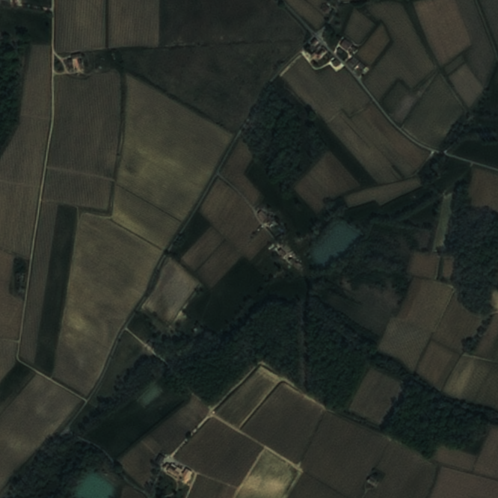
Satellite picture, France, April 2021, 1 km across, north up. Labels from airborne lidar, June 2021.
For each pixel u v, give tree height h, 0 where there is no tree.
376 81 0
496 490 0
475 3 0
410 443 21
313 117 19
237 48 0
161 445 0
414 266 0
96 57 0
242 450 0
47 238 0
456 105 0
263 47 0
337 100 0
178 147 0
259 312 22
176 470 0
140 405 0
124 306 0
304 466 0
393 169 0
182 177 0
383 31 0
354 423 0
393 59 0
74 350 0
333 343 30
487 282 21
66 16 0
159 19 0
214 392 21
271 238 0
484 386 0
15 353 0
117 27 0
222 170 0
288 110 19
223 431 0
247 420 0
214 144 0
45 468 22
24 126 0
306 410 0
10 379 0
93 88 0
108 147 0
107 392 0
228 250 0
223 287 0
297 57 0
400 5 0
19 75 9
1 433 0
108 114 0
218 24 0
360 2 10
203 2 0
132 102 0
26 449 0
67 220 0
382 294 0
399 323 0
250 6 0
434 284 0
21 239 0
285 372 17
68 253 0
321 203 0
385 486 0
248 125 16
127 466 0
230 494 0
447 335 0
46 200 0
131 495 0
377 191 0
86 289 0
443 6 0
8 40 11
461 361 0
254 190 0
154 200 0
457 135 7
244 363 19
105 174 0
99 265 0
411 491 0
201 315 0
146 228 0
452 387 0
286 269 8
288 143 19
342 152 0
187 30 0
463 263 17
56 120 0
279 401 0
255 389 0
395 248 6
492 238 12
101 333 0
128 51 0
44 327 0
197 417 0
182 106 0
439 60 0
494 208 0
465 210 16
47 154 0
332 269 18
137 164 0
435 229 12
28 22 0
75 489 15
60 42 0
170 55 0
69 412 0
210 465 0
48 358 0
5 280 0
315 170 0
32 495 12
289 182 18
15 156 0
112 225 0
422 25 0
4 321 0
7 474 0
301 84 0
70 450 16
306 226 0
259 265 0
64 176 0
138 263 0
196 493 0
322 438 0
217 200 0
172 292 0
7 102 20
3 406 0
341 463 0
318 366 23
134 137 0
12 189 0
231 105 0
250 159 0
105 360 0
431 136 0
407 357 0
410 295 0
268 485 0
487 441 0
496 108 0
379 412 0
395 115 0
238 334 24
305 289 0
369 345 25
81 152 0
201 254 0
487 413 7
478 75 0
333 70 0
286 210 0
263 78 0
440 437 29
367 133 0
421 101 0
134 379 18
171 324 0
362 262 8
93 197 0
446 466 0
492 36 0
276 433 0
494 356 0
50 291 0
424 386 16
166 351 17
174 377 26
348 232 0
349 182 0
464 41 0
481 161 0
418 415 23
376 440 0
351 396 16
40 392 0
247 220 0
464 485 0
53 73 0
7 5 13
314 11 0
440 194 13
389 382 0
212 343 22
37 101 0
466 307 12
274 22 0
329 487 0
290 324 18
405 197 0
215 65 0
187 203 0
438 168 12
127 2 0
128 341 0
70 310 0
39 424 0
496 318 0
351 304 0
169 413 0
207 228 0
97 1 0
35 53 0
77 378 0
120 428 0
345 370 21
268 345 20
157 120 0
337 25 10
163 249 0
